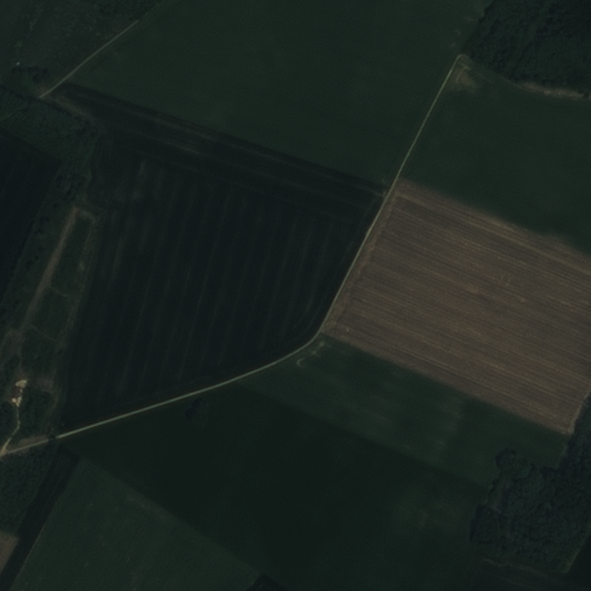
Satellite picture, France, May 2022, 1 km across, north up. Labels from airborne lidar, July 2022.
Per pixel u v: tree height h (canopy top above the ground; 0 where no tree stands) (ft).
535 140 0
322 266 0
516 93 0
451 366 0
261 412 0
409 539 0
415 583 0
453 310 0
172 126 0
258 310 0
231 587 0
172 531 0
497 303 0
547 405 0
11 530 60
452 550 0
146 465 0
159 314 0
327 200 0
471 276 0
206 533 0
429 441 0
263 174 0
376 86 0
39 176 0
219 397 0
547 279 0
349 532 0
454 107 0
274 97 0
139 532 0
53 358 0
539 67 73
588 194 0
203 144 0
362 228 0
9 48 0
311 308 0
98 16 0
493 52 66
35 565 0
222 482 0
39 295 0
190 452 0
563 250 0
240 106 0
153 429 0
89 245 0
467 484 0
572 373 0
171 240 0
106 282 0
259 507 0
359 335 0
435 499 0
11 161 0
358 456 0
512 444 0
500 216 0
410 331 0
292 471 0
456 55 0
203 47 0
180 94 0
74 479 0
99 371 0
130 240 0
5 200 0
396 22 0
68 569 0
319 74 0
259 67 0
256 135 0
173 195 0
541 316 0
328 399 0
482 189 0
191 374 0
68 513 0
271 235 0
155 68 0
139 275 0
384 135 0
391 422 0
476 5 0
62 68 0
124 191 0
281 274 0
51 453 60
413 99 0
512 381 0
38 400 70
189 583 0
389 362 0
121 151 0
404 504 0
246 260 0
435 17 0
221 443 0
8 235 0
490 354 0
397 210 0
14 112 78
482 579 0
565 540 94
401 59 0
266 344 0
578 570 0
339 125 0
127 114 0
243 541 0
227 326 0
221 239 0
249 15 0
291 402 0
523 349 0
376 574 0
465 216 0
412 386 0
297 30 0
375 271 0
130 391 0
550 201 0
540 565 51
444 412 0
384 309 0
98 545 0
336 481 0
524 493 95
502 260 0
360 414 0
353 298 0
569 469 71
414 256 0
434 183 0
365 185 0
